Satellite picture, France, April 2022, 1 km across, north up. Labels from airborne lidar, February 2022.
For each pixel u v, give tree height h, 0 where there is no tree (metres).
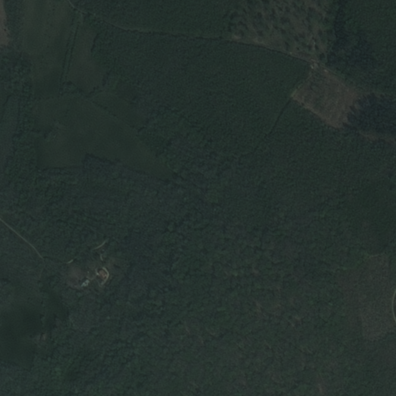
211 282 30
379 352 13
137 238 30
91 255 21
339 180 12
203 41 15
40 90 0
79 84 0
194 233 27
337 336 21
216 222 25
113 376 26
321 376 23
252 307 26
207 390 27
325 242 28
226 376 27
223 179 24
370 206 8
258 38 0
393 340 11
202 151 23
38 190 8
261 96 14
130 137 0
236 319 23
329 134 14
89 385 16
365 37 22
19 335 0
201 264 26
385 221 12
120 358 22
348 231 21
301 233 20
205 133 14
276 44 0
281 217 20
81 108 0
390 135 32
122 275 0
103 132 0
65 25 0
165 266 23
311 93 0
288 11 0
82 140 0
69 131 0
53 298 0
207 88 17
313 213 20
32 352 0
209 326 29
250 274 30
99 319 30
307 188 16
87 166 23
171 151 23
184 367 30
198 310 29
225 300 32
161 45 16
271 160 16
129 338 30
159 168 0
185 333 26
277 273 22
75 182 27
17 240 26
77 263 14
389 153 16
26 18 0
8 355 0
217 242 22
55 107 0
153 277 29
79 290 0
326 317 28
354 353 13
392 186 7
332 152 15
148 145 8
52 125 0
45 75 0
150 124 21
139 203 21
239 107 14
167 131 26
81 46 0
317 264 26
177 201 28
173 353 28
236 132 16
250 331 28
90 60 0
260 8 28
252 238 23
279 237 25
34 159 16
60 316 0
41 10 0
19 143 20
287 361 29
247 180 22
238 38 0
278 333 28
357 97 0
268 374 29
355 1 17
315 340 28
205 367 25
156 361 26
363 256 25
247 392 30
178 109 15
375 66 27
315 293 28
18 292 0
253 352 28
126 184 22
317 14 22
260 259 29
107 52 13
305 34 0
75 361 6
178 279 29
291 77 13
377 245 9
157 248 23
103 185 11
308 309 28
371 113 31
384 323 10
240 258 27
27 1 0
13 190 18
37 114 0
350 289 12
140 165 0
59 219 27
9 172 17
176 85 19
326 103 0
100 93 6
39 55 0
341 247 25
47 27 0
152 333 32
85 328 22
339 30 25
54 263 23
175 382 24
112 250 17
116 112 0
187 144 27
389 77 12
